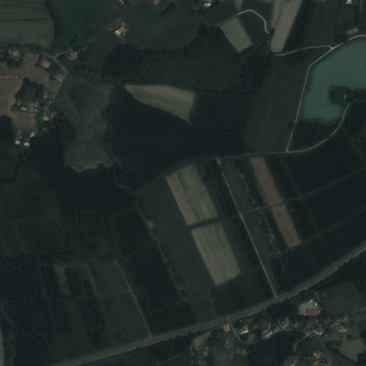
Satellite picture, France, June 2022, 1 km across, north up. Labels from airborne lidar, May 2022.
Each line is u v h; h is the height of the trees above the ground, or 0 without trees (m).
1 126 13
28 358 15
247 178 7
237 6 0
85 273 0
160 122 30
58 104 0
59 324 11
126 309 0
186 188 0
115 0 0
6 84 0
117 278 0
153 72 0
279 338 20
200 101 20
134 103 29
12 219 0
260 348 20
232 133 28
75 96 0
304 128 21
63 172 19
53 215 0
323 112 0
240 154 24
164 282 6
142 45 0
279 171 11
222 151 28
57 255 9
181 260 0
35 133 0
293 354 16
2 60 8
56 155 22
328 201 7
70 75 0
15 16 0
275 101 0
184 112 0
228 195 7
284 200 0
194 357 10
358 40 0
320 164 6
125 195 18
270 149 0
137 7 0
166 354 19
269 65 22
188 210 0
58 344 0
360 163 10
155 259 6
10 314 16
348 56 0
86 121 0
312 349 0
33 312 14
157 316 6
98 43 0
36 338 8
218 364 0
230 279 0
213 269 0
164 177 0
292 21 0
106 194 17
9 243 0
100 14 0
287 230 0
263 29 0
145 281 8
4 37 0
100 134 0
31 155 20
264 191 0
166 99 0
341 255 7
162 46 0
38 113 0
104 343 0
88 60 8
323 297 0
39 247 11
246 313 0
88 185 17
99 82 0
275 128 0
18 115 0
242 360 0
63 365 0
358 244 6
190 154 27
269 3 0
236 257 0
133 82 13
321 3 0
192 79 0
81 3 0
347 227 6
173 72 0
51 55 0
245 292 0
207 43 0
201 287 0
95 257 0
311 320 6
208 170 5
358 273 9
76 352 0
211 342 10
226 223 0
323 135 10
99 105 0
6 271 12
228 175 0
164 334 0
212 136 30
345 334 0
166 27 0
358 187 10
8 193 0
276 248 8
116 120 29
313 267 11
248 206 0
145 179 23
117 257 0
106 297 0
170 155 26
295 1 0
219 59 0
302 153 0
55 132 20
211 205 0
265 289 13
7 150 0
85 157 0
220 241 0
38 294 11
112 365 11
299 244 0
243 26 0
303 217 8
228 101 22
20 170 11
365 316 0
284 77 0
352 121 14
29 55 0
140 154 27
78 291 12
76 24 0
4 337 11
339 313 0
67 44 0
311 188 7
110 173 18
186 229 0
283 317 15
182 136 26
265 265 0
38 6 0
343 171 12
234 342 0
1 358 0
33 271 17
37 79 0
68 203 14
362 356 18
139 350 9
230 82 10
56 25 11
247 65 20
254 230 0
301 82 0
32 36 0
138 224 7
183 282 0
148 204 0
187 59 0
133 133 29
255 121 0
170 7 8
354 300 0
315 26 0
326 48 0
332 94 15
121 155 24
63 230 16
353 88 0
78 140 0
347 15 0
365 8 0
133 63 6
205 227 0
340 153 10
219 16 0
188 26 0
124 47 11
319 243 9
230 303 0
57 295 14
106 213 15
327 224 6
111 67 13
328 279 7
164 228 0
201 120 29
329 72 0
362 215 7
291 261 14
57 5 0
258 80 16
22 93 8
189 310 7
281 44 0
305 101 0
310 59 0
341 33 0
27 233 0
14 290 16
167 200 0
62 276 0
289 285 24
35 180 0
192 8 0
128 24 0
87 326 14
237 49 0
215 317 0
